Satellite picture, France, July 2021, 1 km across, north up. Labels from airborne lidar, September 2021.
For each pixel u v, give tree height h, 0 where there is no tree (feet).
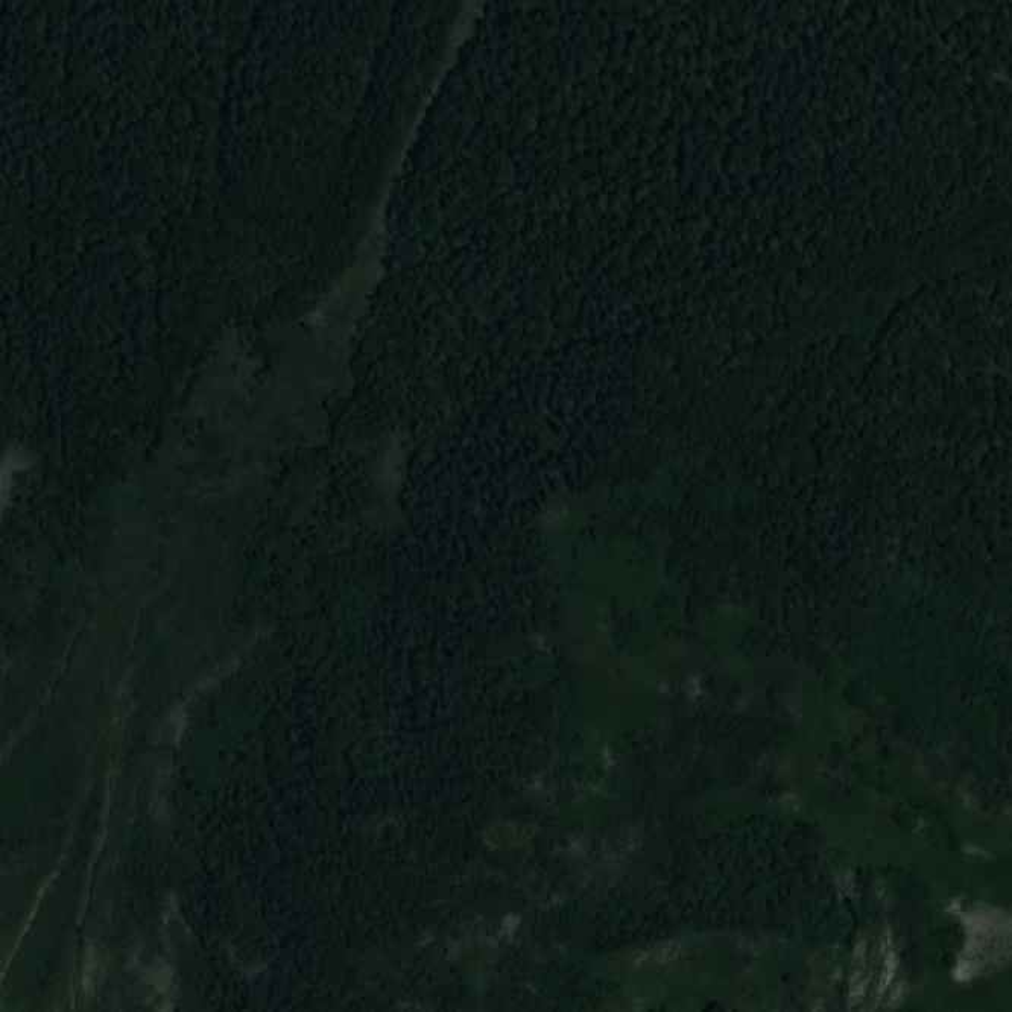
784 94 102
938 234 111
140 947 0
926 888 33
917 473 41
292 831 42
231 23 72
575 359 69
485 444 51
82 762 0
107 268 82
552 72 70
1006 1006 0
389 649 56
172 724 0
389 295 43
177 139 87
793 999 26
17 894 0
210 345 59
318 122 78
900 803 17
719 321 59
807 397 29
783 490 71
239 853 28
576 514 0
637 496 37
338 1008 37
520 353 70
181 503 26
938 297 114
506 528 30
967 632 63
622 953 19
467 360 52
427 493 73
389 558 52
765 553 40
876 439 67
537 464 31
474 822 28
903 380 75
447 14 55
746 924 39
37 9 73
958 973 0
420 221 28
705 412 29
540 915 31
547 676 0
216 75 120
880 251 86
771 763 0
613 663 0
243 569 21
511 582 40
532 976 23
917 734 20
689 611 32
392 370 63
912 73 76
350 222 66
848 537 62
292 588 30
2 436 45
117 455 50
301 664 40
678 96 36
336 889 41
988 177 57
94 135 35
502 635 32
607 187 73
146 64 85
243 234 43
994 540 84
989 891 0
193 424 41
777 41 70
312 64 89
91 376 68
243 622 35
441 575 43
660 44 98
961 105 60
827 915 54
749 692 0
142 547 0
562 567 0
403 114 78
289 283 46
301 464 48
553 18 90
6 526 30
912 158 84
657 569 0
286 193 55
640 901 43
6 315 80
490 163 53
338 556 37
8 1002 0
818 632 20
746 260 61
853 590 64
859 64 78
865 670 35
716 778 23
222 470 23
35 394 54
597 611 0
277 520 24
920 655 52
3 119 71
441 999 25
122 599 0
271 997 35
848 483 58
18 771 0
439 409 52
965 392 105
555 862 43
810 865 38
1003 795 72
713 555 50
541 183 57
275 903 40
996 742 59
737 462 36
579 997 43
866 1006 24
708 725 33
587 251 33
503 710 39
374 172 70
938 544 50
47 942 0
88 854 19
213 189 72
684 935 22
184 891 20
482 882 36
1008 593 47
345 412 55
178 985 0
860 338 46
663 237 52
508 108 63
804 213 56
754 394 35
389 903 33
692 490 19
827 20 85
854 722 24
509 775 34
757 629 41
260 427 0
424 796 35
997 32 82
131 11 116
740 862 42
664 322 67
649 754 40
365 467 54
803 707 0
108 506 0
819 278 80
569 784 32
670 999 0
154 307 46
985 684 27
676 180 51
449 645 46
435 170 75
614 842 18
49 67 65
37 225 78
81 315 81
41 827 18
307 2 107
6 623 31
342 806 23
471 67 100
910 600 57
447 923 29
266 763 28
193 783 31
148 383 46
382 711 49
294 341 0
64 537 51
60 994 0
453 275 58
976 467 72
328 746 44
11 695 20
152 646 0
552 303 38
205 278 49
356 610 23
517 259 23
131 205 81
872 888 21
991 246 48
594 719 0
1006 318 87
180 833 22
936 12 74
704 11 81
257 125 75
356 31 90
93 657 0
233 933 28
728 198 24
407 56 71
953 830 31
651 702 0
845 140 87
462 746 52
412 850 30
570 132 41
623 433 37
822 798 0
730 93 84
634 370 72
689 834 25
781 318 64
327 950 31
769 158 83
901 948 64
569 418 81
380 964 0
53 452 50
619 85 24
